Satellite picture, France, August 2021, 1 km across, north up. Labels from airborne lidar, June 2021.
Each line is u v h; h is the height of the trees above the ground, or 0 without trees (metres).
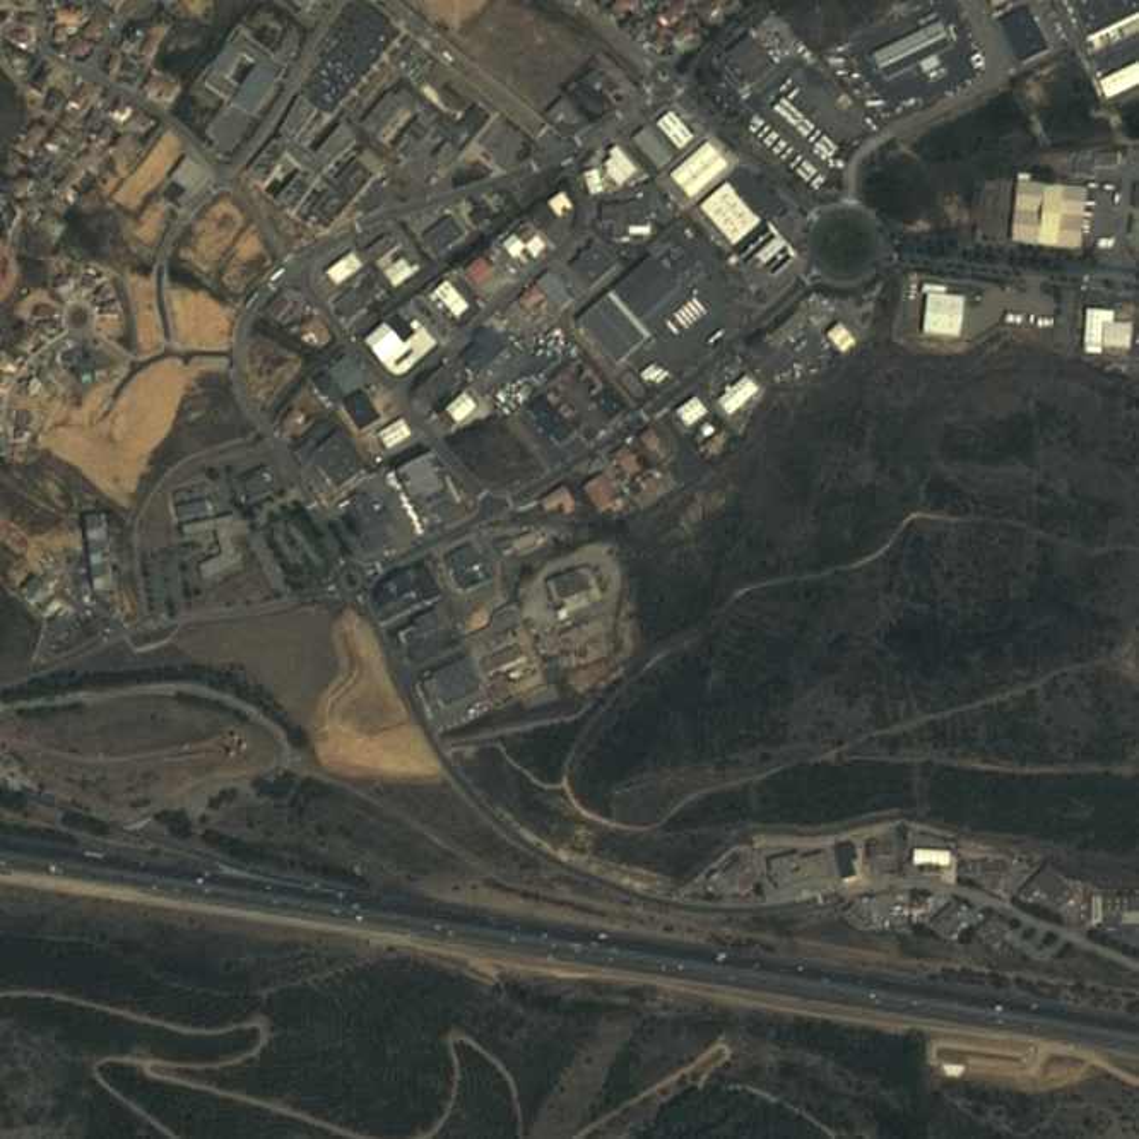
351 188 0
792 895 0
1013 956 0
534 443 0
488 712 0
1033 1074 0
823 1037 8
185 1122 8
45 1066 0
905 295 0
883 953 0
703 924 0
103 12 0
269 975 0
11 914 0
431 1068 6
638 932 0
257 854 10
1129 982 0
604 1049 0
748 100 0
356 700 0
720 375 0
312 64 0
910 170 0
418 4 0
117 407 0
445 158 0
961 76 0
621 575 0
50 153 0
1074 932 0
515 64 0
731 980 0
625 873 0
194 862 0
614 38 0
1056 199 0
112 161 0
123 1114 8
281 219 0
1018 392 0
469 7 0
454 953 0
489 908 0
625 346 0
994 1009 0
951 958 0
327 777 0
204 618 0
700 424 0
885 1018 0
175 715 0
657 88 0
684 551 0
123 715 0
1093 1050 0
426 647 0
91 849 0
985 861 0
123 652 0
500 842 0
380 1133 6
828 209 0
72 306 0
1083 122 0
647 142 0
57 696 7
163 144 0
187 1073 6
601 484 0
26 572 0
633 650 0
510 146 0
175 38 0
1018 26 0
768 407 0
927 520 0
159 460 0
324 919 0
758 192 0
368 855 0
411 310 0
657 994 0
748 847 0
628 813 0
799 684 0
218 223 0
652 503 0
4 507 0
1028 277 0
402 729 0
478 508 0
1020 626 7
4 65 0
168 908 0
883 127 0
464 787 0
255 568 0
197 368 0
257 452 0
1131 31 0
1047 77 0
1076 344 0
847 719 0
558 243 0
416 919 0
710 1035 0
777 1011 0
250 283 0
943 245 7
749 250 0
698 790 0
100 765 0
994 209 0
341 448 0
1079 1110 0
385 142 0
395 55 0
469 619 0
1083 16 0
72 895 0
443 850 0
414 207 0
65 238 0
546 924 0
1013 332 0
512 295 0
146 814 0
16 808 10
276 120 0
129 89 0
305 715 0
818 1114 11
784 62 0
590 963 0
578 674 0
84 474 0
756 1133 8
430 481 0
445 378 0
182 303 0
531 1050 6
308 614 0
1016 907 7
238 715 8
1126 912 0
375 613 0
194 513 0
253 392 0
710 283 0
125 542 0
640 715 5
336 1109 6
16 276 0
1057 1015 0
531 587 0
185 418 0
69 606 0
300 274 0
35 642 0
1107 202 0
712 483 0
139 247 0
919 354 0
